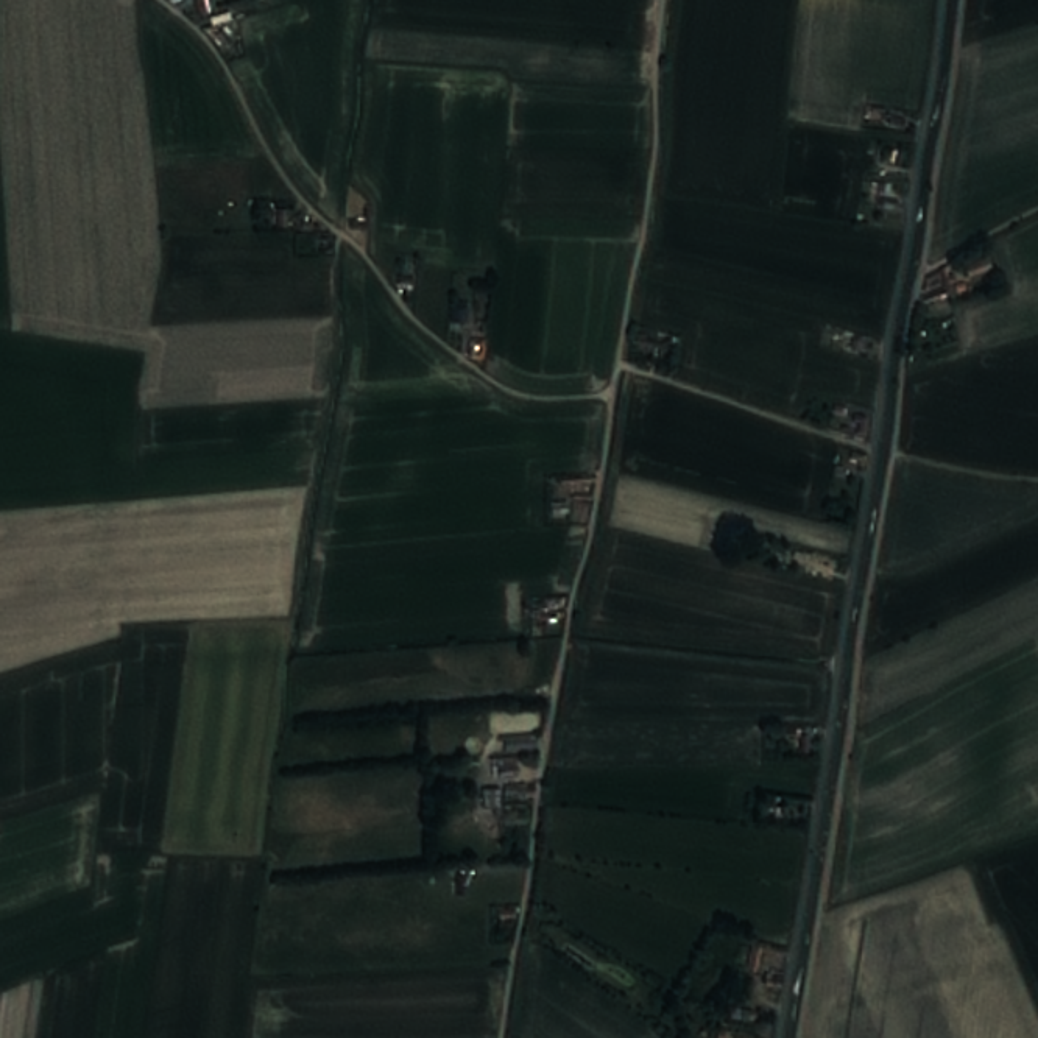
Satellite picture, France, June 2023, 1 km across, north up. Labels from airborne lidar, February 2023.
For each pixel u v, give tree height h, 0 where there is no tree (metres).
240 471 0
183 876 0
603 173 0
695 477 0
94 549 0
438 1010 0
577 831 0
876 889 0
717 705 0
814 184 0
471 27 0
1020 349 0
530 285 0
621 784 0
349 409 0
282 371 0
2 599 0
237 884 0
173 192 0
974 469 0
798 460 0
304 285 0
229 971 0
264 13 0
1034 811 0
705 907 0
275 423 0
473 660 0
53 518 0
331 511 0
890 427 0
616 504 0
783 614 0
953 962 0
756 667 0
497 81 0
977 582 0
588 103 0
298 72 0
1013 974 0
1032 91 0
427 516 0
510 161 0
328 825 0
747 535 29
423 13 0
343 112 0
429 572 0
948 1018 0
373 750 0
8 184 0
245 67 0
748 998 9
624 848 0
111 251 0
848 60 0
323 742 0
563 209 0
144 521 0
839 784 0
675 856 0
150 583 0
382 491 0
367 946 0
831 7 0
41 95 0
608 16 0
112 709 0
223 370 0
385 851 0
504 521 0
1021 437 0
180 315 0
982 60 0
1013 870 0
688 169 0
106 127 0
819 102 0
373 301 0
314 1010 0
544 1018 0
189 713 0
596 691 0
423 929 0
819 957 0
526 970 0
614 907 0
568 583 0
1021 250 0
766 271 0
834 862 0
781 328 0
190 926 0
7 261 0
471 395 0
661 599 0
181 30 0
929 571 0
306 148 0
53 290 0
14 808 0
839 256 0
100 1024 0
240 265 0
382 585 0
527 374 0
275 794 0
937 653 0
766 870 0
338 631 0
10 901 0
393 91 0
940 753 0
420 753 17
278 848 0
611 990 5
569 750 0
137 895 0
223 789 0
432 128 0
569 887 0
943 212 0
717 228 0
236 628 0
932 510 0
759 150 0
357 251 0
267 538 0
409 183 0
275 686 0
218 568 0
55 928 0
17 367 0
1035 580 0
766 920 0
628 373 0
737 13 0
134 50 0
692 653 0
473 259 0
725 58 0
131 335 0
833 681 0
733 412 0
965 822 0
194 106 0
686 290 0
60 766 0
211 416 0
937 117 0
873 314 0
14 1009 0
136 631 0
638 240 0
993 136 0
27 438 0
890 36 0
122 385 0
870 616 0
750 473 0
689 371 0
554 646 0
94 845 0
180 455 0
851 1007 0
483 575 0
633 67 0
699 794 0
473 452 0
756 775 0
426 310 0
